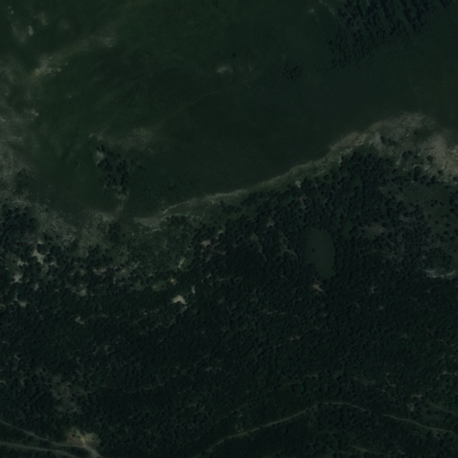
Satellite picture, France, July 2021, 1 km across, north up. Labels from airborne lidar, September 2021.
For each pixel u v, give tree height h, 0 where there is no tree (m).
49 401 13
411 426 7
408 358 13
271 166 0
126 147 0
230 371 18
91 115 0
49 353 20
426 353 18
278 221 24
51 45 0
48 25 0
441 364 16
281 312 17
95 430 24
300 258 21
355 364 21
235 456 14
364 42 6
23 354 24
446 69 0
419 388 20
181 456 14
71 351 13
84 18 0
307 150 0
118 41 0
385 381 18
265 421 15
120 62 0
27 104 0
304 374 28
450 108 0
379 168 26
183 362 14
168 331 20
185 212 0
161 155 0
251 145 0
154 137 0
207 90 0
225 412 12
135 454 13
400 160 0
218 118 0
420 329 20
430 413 23
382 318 17
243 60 0
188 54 0
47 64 0
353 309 27
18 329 23
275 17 0
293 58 0
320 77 0
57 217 0
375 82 0
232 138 0
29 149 0
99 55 0
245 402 15
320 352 28
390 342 20
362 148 0
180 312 19
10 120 0
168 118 0
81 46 0
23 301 13
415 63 0
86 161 0
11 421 18
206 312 18
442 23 0
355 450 18
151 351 18
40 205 0
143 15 0
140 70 0
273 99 0
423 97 0
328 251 0
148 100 0
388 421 20
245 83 0
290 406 15
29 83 0
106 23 0
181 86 0
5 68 0
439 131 0
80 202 0
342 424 24
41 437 19
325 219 23
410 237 9
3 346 17
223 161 0
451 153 0
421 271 12
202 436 9
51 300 15
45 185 0
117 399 18
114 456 13
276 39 0
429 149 0
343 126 0
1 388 17
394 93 0
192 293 9
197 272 20
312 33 0
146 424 16
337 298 22
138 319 15
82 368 20
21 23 0
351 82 0
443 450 11
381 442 9
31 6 0
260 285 18
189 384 19
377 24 16
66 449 10
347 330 26
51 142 0
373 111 0
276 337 25
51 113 0
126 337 16
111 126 0
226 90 0
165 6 0
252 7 0
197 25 0
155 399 16
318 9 0
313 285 16
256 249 22
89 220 0
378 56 0
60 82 0
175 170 0
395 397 21
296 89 0
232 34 0
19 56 0
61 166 0
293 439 19
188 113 0
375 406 15
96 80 0
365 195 24
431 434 25
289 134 0
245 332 15
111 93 0
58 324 16
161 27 0
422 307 11
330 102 0
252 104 0
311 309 20
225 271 24
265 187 0
